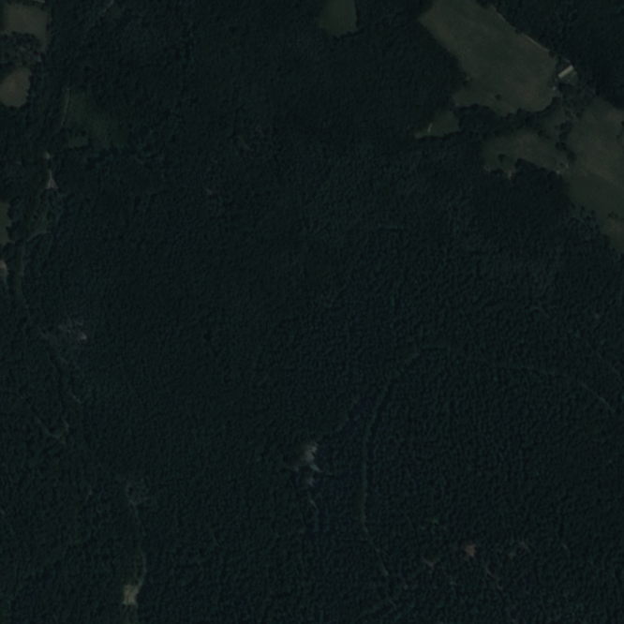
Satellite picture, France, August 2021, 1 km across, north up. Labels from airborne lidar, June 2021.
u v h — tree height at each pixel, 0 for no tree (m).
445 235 23
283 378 20
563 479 14
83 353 10
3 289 22
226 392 28
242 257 23
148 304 19
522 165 14
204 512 18
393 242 19
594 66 21
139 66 25
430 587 17
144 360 19
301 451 8
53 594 20
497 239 23
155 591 18
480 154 17
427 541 21
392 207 18
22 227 23
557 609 19
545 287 23
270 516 18
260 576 20
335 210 28
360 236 20
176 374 21
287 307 23
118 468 22
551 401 21
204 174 20
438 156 28
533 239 22
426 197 20
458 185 26
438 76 15
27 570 23
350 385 16
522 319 23
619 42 26
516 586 19
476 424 22
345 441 23
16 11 0
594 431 22
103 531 13
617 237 0
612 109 0
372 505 13
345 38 15
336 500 16
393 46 21
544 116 7
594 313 22
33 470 27
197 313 27
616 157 0
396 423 22
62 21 19
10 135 23
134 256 21
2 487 18
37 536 22
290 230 26
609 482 22
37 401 24
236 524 20
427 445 18
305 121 21
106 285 19
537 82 0
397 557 17
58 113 18
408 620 22
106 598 20
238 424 28
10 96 0
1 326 22
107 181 26
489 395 22
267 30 28
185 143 24
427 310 25
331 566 27
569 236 18
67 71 20
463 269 25
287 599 22
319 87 15
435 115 18
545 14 24
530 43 0
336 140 21
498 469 26
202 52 25
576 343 19
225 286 20
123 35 24
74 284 18
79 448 21
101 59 18
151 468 20
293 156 19
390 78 16
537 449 17
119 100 13
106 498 21
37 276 18
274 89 27
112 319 16
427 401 21
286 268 20
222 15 20
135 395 13
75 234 18
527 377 13
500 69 0
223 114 26
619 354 19
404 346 23
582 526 17
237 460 19
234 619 20
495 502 21
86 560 16
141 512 10
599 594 24
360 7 12
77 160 25
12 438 19
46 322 12
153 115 14
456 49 0
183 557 22
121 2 23
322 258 26
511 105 0
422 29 17
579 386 18
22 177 25
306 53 18
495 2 13
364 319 24
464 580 22
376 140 18
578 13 18
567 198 17
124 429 20
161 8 10
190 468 17
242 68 21
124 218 20
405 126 13
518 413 9
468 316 18
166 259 20
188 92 28
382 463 19
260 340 22
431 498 23
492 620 17
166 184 25
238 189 20
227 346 24
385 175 30
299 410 20
